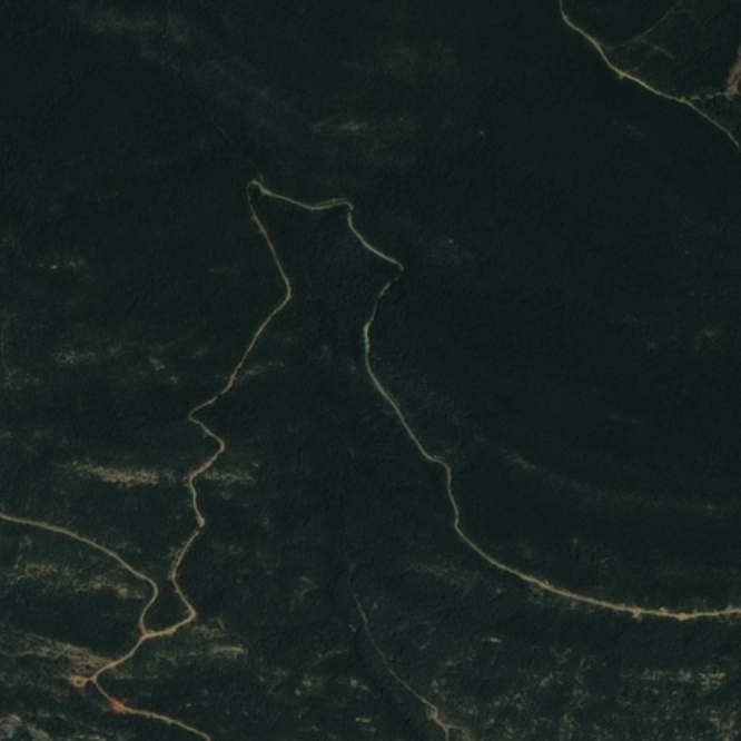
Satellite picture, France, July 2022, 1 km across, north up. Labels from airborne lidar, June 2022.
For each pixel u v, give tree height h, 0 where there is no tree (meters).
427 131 8
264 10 6
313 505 6
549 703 7
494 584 8
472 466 6
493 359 7
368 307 7
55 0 9
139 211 10
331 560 5
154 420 7
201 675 7
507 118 6
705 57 9
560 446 6
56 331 8
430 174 7
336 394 8
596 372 5
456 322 9
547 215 9
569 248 6
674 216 5
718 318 7
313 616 9
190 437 8
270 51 8
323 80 6
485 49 7
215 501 7
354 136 7
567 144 6
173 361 6
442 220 6
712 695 6
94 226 10
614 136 6
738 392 6
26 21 12
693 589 8
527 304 8
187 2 8
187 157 10
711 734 7
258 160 7
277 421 9
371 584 8
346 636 7
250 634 8
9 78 9
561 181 6
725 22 9
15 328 5
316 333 7
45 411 8
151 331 6
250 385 9
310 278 6
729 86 10
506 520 7
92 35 7
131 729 6
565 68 5
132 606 6
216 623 6
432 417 7
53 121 14
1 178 7
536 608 5
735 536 8
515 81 8
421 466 7
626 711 6
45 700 7
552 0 6
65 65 8
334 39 7
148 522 7
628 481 6
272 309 10
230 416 6
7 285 6
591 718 6
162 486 8
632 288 7
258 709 6
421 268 6
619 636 7
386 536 9
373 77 6
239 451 8
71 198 7
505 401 7
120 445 8
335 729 7
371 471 7
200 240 8
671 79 6
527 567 6
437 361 6
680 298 6
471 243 8
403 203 9
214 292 7
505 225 8
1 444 6
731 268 14
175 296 7
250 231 7
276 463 6
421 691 6
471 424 8
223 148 7
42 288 5
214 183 10
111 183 7
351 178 7
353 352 6
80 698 6
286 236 8
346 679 6
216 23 7
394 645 7
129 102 7
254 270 7
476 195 9
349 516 11
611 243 6
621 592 5
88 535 6
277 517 6
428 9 7
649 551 7
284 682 6
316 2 6
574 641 8
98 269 7
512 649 7
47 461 9
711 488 5
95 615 6
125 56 6
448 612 7
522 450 6
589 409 6
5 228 7
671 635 8
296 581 7
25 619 6
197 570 8
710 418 8
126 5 9
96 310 12
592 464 6
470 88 5
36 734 0
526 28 6
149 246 7
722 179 6
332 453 8
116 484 6
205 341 7
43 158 6
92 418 9
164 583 6
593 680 6
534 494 6
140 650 7
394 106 9
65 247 8
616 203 6
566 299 7
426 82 8
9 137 11
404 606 9
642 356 5
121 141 9
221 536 8
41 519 7
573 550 12
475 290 11
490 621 7
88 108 8
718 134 6
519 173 8
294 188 7
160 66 8
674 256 7
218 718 7
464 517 6
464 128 7
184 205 6
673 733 6
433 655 6
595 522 7
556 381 6
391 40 6
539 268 7
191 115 10
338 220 6
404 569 8
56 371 7
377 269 7
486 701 7
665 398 6
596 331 7
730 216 5
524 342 7
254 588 7
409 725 9
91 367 6
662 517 7
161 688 6
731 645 6
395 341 6
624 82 5
